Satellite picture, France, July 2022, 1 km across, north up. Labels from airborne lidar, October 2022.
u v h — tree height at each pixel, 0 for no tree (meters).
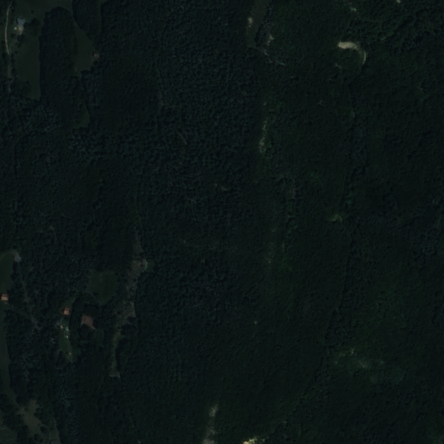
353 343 22
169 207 10
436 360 36
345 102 26
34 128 12
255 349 20
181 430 10
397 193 31
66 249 16
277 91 19
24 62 0
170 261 15
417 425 25
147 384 10
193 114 20
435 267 28
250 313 20
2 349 0
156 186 9
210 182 13
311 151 27
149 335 17
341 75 29
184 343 11
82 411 26
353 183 26
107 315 17
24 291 18
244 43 12
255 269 18
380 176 8
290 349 18
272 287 11
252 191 15
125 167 20
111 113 25
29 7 0
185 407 14
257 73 22
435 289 28
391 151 25
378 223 27
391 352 30
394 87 23
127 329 24
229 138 13
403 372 10
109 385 22
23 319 11
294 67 20
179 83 19
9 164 17
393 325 18
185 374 11
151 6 20
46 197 16
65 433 27
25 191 20
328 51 25
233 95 16
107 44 18
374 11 25
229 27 19
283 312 25
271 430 15
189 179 14
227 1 15
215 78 14
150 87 24
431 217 31
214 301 14
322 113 33
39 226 8
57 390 25
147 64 14
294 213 25
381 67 27
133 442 18
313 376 15
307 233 27
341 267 27
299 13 16
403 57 29
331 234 26
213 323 16
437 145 24
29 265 11
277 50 17
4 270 0
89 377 18
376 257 24
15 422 15
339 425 30
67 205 12
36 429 0
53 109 30
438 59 32
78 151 32
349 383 21
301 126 24
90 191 22
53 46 27
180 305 17
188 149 12
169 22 14
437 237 25
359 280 25
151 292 18
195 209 7
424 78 25
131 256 8
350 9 15
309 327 25
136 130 22
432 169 7
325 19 11
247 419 17
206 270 25
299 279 25
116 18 20
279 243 15
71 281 20
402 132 27
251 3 12
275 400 21
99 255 16
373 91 32
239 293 18
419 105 20
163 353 16
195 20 15
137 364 19
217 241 11
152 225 14
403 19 7
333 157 33
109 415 27
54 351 17
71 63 13
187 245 6
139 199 14
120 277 15
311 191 25
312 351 20
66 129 22
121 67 23
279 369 22
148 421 12
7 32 0
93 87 28
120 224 25
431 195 14
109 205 24
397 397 27
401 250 36
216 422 12
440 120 30
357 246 32
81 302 23
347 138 20
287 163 21
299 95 28
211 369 19
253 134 12
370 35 24
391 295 17
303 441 15
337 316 29
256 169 10
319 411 19
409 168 34
